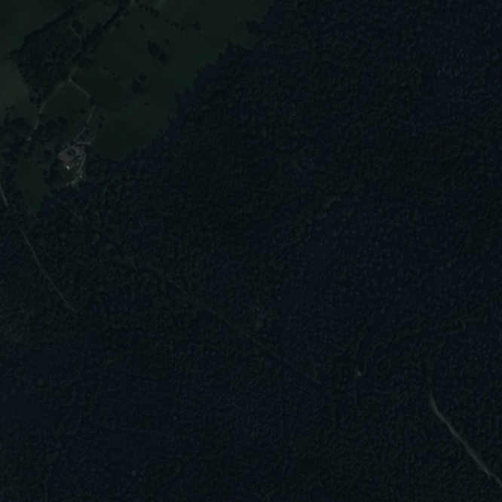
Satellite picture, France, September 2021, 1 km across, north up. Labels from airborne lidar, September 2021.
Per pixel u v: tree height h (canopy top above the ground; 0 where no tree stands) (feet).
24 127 60
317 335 73
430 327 89
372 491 70
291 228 89
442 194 64
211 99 39
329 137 92
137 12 0
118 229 80
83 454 79
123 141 0
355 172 79
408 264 82
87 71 0
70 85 0
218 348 77
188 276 74
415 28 87
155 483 74
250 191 63
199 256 82
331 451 97
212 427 83
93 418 73
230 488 89
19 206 90
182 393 93
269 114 108
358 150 68
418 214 83
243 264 60
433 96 51
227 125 65
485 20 126
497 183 25
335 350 104
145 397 97
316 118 65
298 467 85
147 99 0
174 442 89
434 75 24
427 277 76
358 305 70
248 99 82
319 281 97
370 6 100
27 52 52
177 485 90
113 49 0
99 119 0
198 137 61
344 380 57
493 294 103
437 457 63
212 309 76
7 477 78
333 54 87
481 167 71
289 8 79
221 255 63
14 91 0
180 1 0
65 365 76
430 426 109
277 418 104
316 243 60
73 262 27
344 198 25
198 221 67
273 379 91
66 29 69
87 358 76
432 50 79
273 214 88
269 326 63
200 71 0
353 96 80
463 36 115
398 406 117
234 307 97
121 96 0
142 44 0
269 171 87
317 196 114
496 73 85
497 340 111
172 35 0
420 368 19
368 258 74
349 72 73
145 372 84
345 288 61
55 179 76
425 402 21
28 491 69
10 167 68
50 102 0
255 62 54
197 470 83
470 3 91
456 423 99
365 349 41
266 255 79
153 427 86
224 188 63
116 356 101
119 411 79
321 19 67
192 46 0
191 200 51
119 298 22
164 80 0
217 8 0
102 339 132
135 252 70
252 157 60
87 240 27
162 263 79
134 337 96
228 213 76
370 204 72
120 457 90
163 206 71
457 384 61
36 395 82
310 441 98
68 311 46
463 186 72
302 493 76
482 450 98
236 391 89
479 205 68
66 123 65
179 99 0
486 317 62
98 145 0
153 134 0
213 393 98
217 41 0
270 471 65
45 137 44
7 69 0
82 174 0
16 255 93
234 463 72
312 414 119
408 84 87
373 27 84
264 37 74
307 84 95
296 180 66
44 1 47
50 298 91
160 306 77
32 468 78
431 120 89
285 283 57
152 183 78
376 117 78
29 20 0
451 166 72
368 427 70
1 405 108
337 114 78
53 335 74
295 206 83
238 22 0
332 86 85
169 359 111
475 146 80
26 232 106
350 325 100
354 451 99
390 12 79
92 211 90
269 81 77
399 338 72
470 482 94
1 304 76
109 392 95
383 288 109
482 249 55
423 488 53
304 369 70
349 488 89
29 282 73
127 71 0
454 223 83
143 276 83
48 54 91
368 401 86
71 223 75
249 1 0
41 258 40
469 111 112
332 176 94
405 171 75
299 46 93
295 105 59
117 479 72
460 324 39
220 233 61
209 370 97
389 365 64
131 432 91
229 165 63
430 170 89
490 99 94
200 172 65
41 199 0
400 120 52
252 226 70
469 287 102
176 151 66
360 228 99
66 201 62
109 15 0
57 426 78
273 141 86
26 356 47
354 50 82
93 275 32
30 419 76
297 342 57
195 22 0
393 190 79
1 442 112
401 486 76
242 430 101
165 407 72
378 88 79
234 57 67
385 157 85
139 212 75
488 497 92
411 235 65
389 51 81
